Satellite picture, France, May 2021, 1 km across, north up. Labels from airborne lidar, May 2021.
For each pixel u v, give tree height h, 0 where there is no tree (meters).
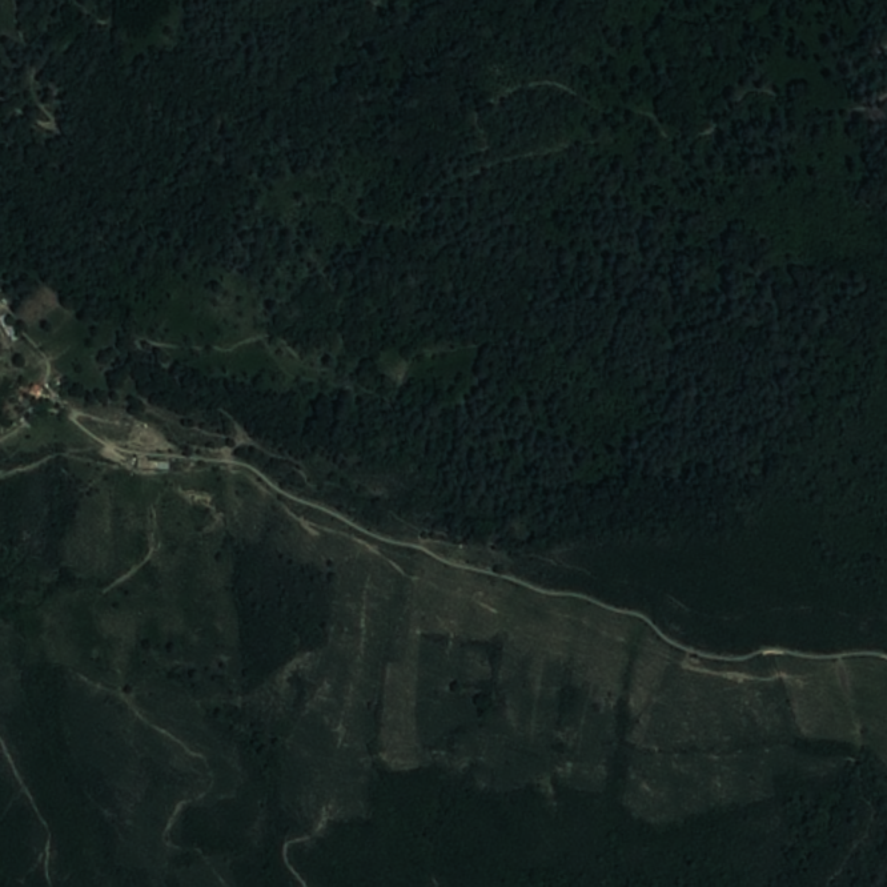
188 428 9
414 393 16
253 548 6
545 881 5
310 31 13
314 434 17
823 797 9
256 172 14
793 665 0
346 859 5
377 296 18
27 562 8
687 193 20
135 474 0
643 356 21
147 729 0
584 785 0
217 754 0
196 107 18
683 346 17
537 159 6
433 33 22
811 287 19
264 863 7
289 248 11
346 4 20
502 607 0
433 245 15
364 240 8
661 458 28
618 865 8
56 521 8
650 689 0
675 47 26
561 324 21
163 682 0
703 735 0
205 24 18
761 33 22
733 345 21
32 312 0
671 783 0
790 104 17
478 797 6
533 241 15
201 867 0
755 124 15
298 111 24
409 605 0
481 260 9
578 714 0
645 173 19
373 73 20
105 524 0
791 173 21
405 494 6
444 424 11
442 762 0
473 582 0
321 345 11
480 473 21
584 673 0
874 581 9
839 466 17
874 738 0
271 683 0
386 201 13
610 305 19
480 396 20
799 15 17
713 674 0
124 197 13
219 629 0
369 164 7
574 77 12
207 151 18
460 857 6
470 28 17
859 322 13
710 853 7
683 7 23
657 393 6
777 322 19
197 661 0
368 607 0
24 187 16
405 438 9
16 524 8
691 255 22
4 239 22
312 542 0
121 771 0
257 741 13
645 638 0
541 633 0
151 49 11
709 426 19
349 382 14
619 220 26
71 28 10
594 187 10
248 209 16
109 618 0
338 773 0
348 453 13
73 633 0
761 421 19
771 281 17
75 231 19
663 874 6
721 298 27
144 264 19
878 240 7
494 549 12
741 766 0
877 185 15
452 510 8
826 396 14
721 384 16
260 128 22
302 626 6
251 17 8
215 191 19
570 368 7
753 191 6
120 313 16
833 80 22
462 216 17
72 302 17
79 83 17
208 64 16
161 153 14
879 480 9
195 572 0
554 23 14
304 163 18
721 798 0
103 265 22
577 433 16
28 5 19
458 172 16
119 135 18
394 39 18
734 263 14
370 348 16
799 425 17
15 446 0
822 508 11
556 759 0
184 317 0
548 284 20
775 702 0
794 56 22
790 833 7
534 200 21
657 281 29
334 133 14
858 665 0
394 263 17
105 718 0
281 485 8
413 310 16
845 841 6
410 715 0
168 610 0
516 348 16
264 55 19
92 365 0
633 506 17
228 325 7
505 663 0
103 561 0
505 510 14
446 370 0
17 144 8
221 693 0
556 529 16
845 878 5
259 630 6
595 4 9
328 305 9
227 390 13
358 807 0
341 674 0
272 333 7
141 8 13
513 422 21
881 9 14
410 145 20
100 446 0
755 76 24
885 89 20
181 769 0
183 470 0
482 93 15
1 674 0
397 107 18
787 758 0
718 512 15
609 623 0
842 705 0
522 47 9
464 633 0
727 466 27
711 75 23
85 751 0
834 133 19
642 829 6
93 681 0
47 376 0
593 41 6
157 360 12
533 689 0
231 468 0
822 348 13
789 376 29
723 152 13
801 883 7
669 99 23
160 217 17
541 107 12
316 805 0
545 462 26
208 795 0
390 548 0
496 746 0
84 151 16
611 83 16
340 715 0
